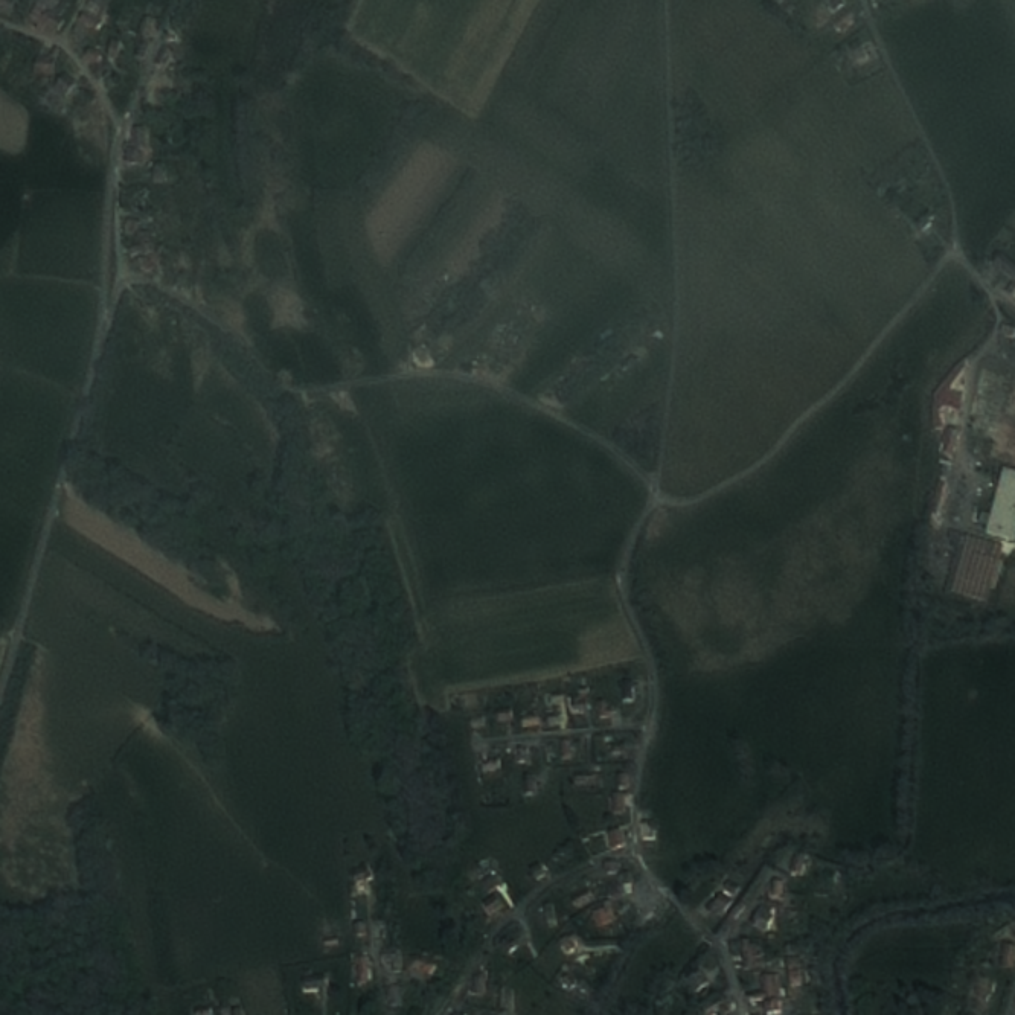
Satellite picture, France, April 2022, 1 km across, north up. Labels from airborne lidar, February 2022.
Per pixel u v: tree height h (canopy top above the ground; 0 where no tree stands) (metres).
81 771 0
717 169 0
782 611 0
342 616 30
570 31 0
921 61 0
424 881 19
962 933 0
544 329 0
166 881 0
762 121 0
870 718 0
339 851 0
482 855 0
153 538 25
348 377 0
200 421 0
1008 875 0
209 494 18
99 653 0
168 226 0
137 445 0
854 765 0
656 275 0
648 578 0
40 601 0
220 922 0
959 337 0
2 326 0
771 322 0
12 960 24
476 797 0
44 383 0
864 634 0
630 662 0
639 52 0
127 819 0
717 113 0
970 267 0
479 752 0
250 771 0
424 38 0
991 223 0
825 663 0
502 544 0
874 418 0
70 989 26
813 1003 0
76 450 17
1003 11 0
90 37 0
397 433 0
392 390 0
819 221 0
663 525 0
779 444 0
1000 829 0
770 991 0
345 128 0
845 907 0
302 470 27
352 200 0
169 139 6
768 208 0
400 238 0
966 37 0
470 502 0
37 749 0
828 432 0
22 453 0
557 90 0
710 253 0
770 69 0
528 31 0
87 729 0
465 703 0
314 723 0
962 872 0
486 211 0
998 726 0
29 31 0
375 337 0
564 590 0
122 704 0
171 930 0
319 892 0
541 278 0
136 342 0
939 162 0
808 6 0
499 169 0
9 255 0
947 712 0
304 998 0
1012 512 0
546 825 0
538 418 0
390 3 0
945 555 0
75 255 0
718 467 0
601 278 0
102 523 0
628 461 0
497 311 0
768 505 0
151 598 0
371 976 0
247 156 23
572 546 0
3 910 23
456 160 0
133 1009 21
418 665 0
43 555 0
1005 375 0
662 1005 11
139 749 0
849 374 0
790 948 9
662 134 0
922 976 0
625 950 15
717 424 0
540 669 0
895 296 0
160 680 0
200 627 0
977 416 0
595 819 0
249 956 0
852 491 0
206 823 0
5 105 0
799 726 0
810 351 0
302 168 0
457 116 0
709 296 0
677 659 0
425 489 0
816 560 0
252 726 0
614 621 0
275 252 0
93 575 0
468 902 0
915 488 0
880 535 0
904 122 0
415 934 0
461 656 0
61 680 0
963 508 0
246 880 0
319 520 29
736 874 7
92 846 19
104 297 0
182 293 0
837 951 17
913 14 0
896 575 0
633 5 0
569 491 0
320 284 0
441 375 0
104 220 0
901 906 15
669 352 0
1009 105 0
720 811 0
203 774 0
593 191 0
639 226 0
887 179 10
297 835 0
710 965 0
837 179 0
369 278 0
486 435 0
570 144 0
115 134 0
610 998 22
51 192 0
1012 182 0
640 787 0
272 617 0
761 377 0
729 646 0
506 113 0
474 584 0
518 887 0
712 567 0
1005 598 0
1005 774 0
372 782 0
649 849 0
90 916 27
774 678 0
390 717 34
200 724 26
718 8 0
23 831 0
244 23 0
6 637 0
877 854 11
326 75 0
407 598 11
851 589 0
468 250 0
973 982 10
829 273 0
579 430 0
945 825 0
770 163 0
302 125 0
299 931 0
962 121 0
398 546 0
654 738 0
